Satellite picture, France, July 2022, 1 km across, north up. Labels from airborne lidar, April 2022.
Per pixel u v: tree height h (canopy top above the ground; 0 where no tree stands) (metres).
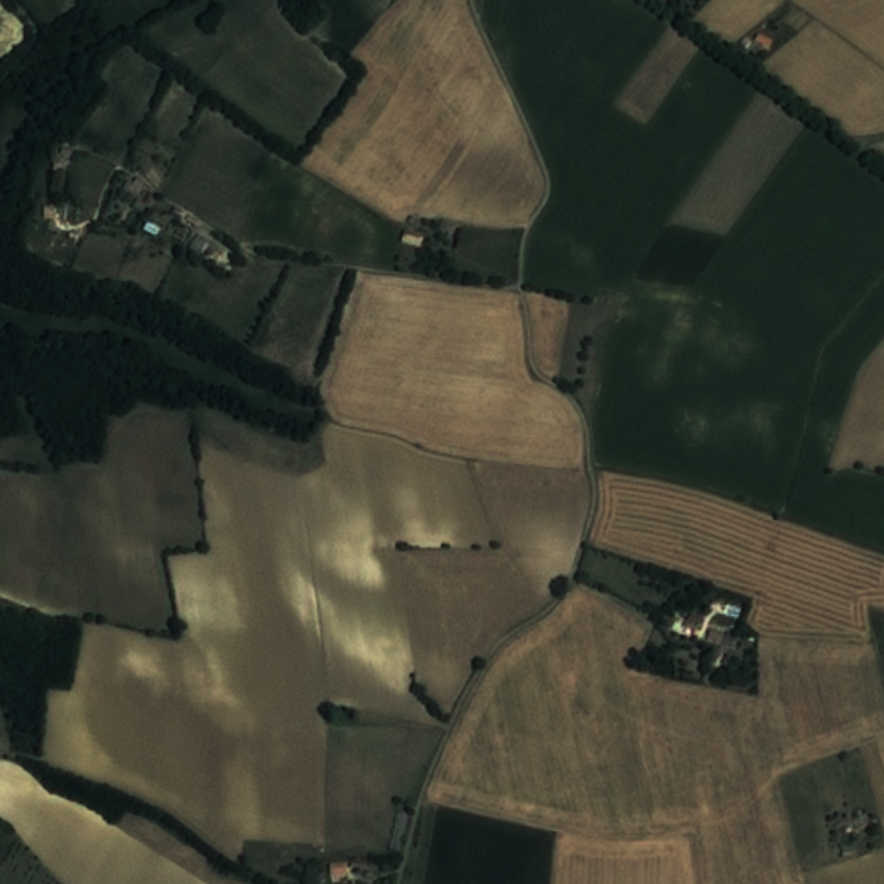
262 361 11
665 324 0
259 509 0
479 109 0
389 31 0
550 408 0
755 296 0
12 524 0
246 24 0
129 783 0
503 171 0
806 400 0
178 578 0
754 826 0
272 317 0
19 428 15
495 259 0
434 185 0
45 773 12
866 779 0
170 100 0
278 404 0
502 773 0
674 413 0
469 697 0
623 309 0
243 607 0
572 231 0
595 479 0
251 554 0
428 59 0
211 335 19
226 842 0
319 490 0
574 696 0
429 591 0
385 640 0
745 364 0
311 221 0
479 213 0
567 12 0
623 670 0
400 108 0
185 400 16
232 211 0
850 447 0
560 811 0
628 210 0
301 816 0
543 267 0
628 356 0
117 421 0
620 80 0
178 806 0
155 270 0
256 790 0
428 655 0
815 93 0
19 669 12
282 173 0
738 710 0
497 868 0
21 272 16
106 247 0
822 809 0
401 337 0
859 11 0
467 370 0
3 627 11
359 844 0
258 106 0
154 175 0
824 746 0
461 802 0
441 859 0
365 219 0
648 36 0
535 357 0
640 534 0
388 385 0
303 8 8
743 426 0
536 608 0
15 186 19
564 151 0
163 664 0
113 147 0
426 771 0
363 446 0
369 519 0
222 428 0
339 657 0
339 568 0
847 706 0
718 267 0
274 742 0
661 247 0
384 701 0
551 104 0
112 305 16
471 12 0
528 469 0
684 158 0
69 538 0
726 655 7
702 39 19
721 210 0
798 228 0
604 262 0
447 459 0
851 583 0
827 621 0
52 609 0
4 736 0
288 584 0
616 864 0
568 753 0
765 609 0
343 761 0
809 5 0
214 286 0
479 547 7
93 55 14
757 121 0
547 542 0
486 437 0
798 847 0
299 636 0
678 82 0
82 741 0
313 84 0
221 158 0
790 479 0
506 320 0
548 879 0
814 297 0
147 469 0
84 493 0
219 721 0
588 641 0
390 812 0
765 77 19
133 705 0
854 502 0
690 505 0
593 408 0
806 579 0
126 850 0
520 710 0
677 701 0
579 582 8
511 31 0
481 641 0
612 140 0
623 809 0
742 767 0
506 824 0
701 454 0
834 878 0
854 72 0
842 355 0
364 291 0
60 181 17
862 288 0
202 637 0
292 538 0
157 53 11
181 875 0
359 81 12
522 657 0
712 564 0
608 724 0
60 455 17
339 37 0
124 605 0
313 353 0
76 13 14
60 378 16
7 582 0
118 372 15
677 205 0
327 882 0
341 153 0
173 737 0
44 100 23
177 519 0
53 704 0
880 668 0
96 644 0
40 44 14
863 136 0
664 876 0
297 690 0
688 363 0
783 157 0
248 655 0
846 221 0
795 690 0
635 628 0
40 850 0
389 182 0
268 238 0
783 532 0
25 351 20
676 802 0
